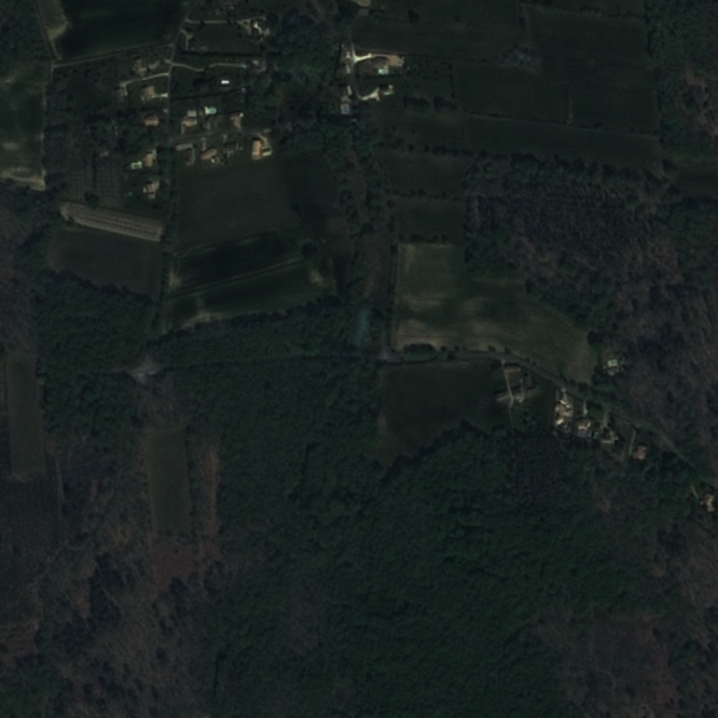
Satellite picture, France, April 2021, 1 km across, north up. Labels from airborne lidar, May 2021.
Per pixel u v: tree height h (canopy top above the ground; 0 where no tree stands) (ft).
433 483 71
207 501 64
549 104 0
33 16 64
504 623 83
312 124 78
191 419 47
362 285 26
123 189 0
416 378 0
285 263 0
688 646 26
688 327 65
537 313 0
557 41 0
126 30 0
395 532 67
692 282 65
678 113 85
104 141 32
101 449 42
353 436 75
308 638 44
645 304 19
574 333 0
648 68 0
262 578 64
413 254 0
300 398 71
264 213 0
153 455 0
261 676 64
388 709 53
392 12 0
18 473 0
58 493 0
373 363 56
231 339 60
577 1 0
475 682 63
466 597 74
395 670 70
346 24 60
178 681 32
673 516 51
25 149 0
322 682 50
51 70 0
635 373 47
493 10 0
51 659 47
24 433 0
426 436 0
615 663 0
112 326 77
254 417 66
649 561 53
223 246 0
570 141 0
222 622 67
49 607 64
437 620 71
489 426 0
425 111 52
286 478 62
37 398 0
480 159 24
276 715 51
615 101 0
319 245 0
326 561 73
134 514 52
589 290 31
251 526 59
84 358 71
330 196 0
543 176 51
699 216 81
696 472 56
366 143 72
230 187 0
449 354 28
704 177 0
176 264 0
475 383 0
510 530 72
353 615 60
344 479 76
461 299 0
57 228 54
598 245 67
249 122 0
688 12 77
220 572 54
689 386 54
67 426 48
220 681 65
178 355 57
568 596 56
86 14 0
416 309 0
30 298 62
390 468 0
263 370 55
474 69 0
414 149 31
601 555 56
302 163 0
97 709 47
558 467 50
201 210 0
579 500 69
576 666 45
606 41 0
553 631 47
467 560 54
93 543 54
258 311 0
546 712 78
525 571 70
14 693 61
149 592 59
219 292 0
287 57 77
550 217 66
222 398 74
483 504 76
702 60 77
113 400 51
